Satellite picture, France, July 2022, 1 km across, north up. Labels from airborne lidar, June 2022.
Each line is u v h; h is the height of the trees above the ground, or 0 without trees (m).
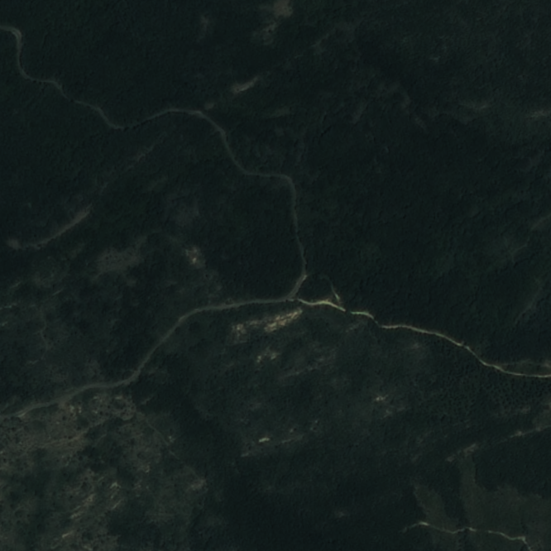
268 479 7
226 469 6
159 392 12
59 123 12
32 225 7
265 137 8
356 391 6
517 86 11
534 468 11
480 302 15
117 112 16
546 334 15
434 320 14
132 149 11
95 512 0
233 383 6
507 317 13
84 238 7
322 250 16
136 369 9
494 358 9
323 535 11
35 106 7
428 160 22
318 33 12
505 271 15
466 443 8
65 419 7
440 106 14
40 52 19
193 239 8
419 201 18
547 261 7
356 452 7
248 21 8
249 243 7
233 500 17
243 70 8
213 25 9
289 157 12
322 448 7
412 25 10
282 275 11
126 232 8
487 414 7
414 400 8
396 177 16
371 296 15
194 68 7
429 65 10
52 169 11
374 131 13
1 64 13
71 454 0
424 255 13
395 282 14
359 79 10
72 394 0
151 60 12
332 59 14
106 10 12
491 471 10
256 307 10
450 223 10
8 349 7
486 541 0
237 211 8
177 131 8
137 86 8
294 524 12
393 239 17
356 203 13
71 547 0
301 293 7
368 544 15
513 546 0
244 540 10
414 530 8
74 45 12
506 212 8
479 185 17
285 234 14
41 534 0
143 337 6
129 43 8
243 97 9
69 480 7
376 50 10
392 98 9
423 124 8
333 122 10
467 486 0
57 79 8
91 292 8
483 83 9
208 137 6
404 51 9
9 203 10
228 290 7
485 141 17
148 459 0
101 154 9
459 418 8
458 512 8
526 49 9
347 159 10
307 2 10
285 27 7
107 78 13
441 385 9
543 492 11
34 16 7
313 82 13
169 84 13
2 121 7
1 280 7
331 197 7
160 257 10
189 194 6
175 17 13
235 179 12
